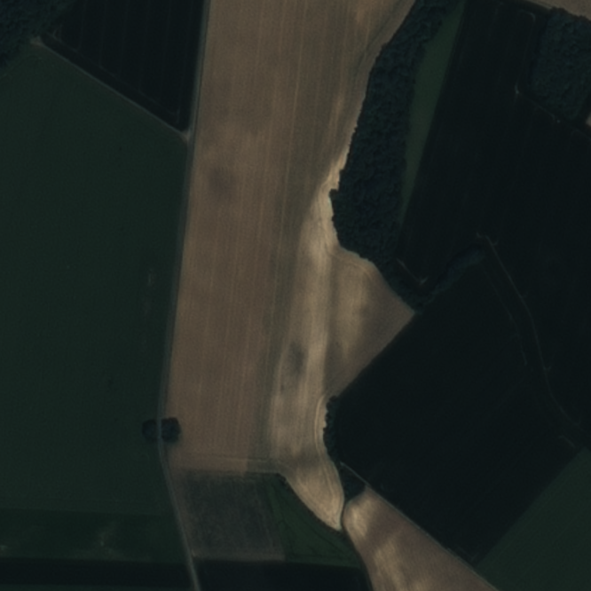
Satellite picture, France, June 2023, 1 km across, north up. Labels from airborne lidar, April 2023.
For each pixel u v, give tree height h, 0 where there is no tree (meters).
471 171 0
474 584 0
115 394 0
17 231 0
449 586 0
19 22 20
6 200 0
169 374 0
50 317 0
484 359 0
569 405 0
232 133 0
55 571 0
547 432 0
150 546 0
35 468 0
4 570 0
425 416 0
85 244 0
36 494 0
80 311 0
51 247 0
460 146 0
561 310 0
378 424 0
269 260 0
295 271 0
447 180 0
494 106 0
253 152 0
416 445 0
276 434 0
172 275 0
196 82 0
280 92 0
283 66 0
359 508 0
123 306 0
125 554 0
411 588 0
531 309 0
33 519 0
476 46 0
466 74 0
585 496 0
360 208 25
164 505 0
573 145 0
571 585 0
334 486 0
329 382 0
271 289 0
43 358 0
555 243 0
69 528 0
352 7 0
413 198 0
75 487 0
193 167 0
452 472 0
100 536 0
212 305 0
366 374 0
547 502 0
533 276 0
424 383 0
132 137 0
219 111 0
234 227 0
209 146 0
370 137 21
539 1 0
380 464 0
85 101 0
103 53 0
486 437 0
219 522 0
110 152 0
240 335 0
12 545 0
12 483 0
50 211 0
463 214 0
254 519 0
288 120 0
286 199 0
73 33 0
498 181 0
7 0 23
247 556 0
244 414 0
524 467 0
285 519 0
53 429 0
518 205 0
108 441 0
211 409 0
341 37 0
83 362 0
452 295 0
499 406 0
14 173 0
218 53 0
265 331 0
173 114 0
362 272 0
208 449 0
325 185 0
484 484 0
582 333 0
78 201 0
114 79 0
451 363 0
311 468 0
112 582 0
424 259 0
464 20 0
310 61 0
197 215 0
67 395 0
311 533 0
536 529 0
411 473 0
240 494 0
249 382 0
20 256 0
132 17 0
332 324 0
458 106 0
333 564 0
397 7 0
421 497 0
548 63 21
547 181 0
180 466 0
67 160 0
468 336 0
